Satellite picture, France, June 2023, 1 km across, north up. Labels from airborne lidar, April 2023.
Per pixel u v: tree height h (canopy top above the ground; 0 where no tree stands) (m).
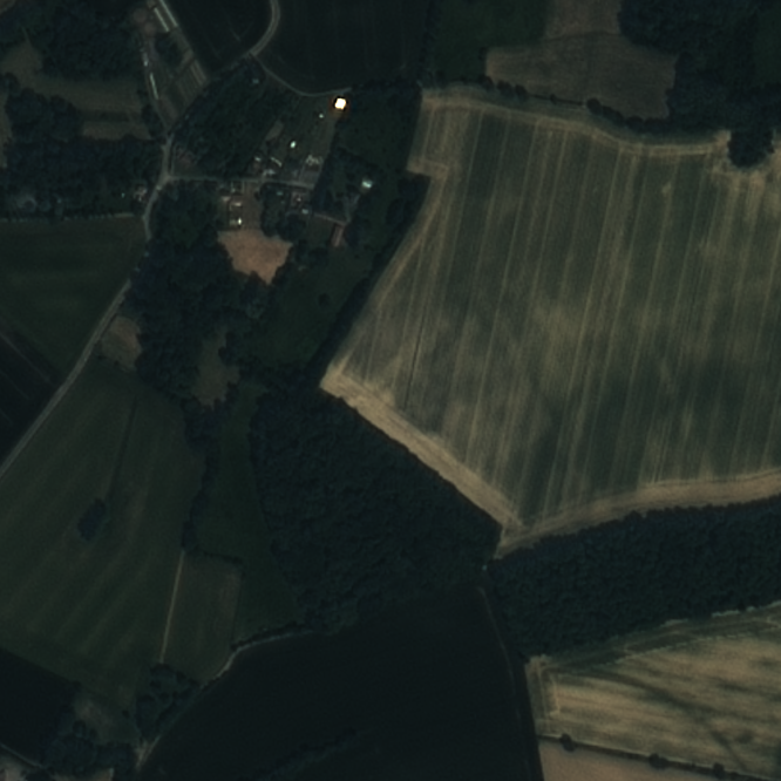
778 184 0
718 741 0
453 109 0
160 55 12
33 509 0
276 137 0
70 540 0
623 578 25
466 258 0
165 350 27
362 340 0
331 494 35
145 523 0
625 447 0
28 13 24
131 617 0
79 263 0
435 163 0
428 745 0
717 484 0
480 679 0
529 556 19
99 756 18
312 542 32
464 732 0
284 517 29
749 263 0
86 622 0
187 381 23
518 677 0
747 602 9
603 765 0
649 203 0
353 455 31
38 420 0
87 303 0
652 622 15
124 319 0
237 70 10
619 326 0
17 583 0
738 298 0
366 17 0
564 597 26
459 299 0
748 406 0
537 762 0
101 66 18
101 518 27
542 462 0
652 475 0
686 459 0
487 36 0
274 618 0
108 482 0
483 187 0
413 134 0
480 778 0
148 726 18
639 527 24
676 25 32
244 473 0
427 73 12
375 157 0
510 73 0
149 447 0
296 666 0
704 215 0
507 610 19
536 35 0
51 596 0
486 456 0
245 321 24
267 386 14
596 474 0
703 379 0
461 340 0
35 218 15
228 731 0
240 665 0
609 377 0
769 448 0
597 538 23
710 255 0
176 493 0
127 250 0
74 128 16
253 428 13
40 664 0
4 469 0
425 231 0
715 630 0
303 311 0
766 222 0
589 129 0
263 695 0
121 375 0
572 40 0
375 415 0
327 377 0
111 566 0
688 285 0
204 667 0
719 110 24
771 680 0
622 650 0
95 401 0
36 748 0
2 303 0
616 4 0
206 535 0
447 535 28
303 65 0
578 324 0
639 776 0
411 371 0
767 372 0
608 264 0
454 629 0
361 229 12
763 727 0
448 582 20
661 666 0
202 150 8
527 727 0
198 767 0
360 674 0
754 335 0
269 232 15
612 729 0
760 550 26
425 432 0
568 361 0
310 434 24
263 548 0
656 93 0
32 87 0
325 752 10
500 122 0
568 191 0
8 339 0
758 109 23
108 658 0
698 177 0
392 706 0
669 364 0
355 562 29
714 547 26
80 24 22
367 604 28
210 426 32
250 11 0
